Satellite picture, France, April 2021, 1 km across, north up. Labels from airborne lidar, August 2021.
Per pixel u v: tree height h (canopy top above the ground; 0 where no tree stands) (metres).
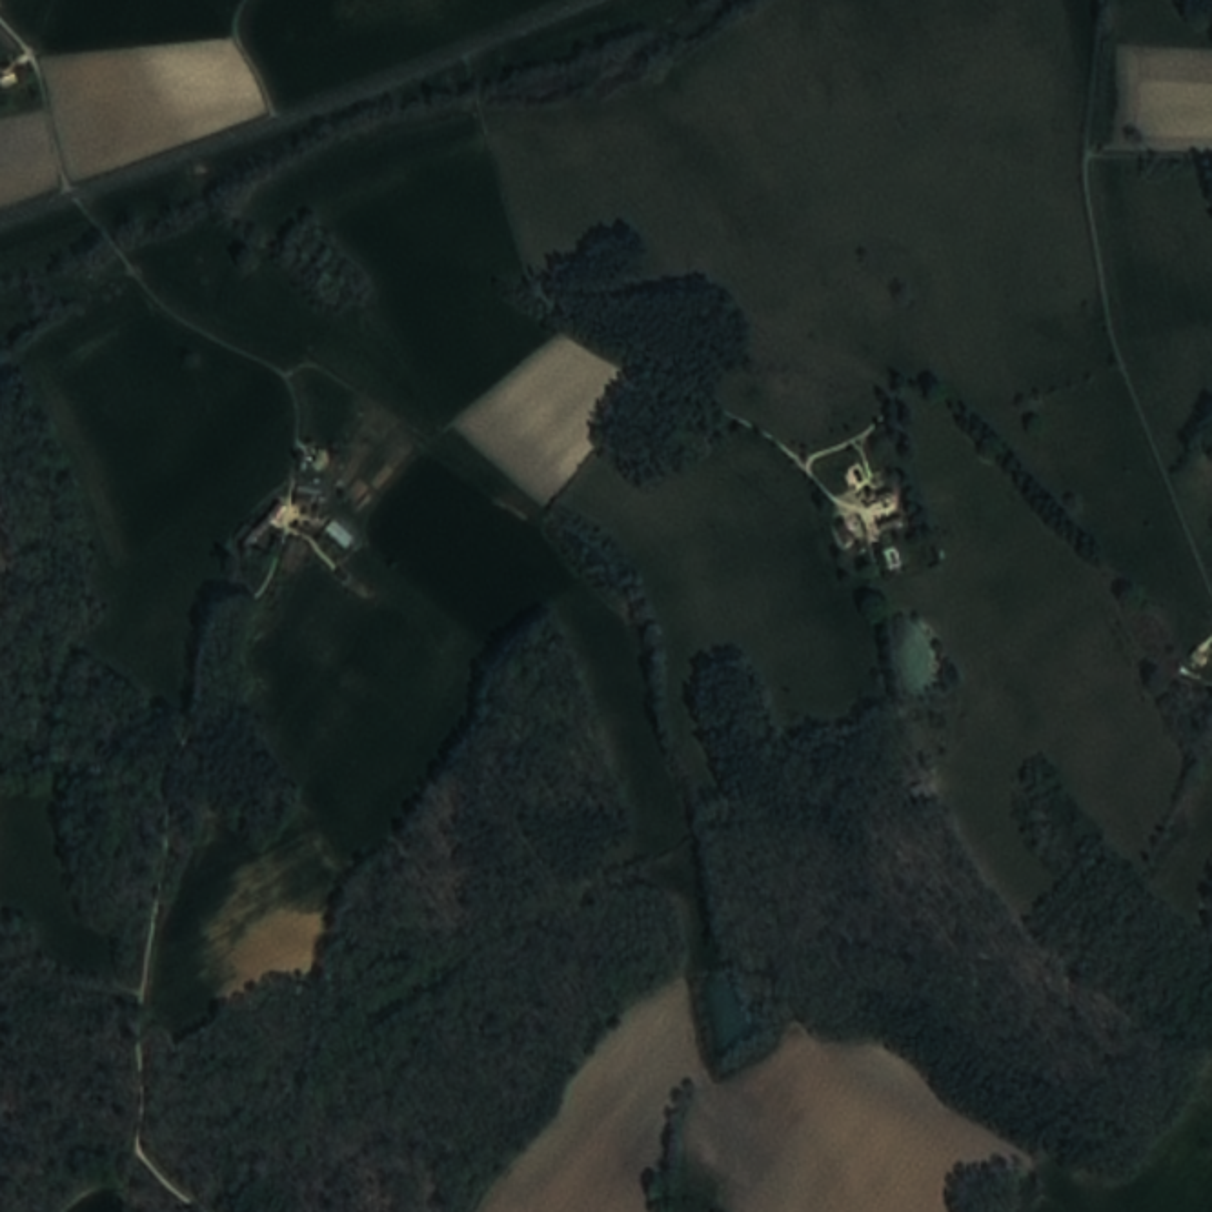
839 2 0
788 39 0
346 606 0
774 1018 9
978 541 0
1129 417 0
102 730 18
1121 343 0
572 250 0
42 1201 12
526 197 0
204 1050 19
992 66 0
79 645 8
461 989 22
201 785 20
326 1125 15
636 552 0
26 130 0
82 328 0
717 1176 0
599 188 0
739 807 23
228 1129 21
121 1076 11
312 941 0
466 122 0
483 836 21
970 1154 0
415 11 0
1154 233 0
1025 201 0
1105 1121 17
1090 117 0
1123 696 0
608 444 21
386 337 0
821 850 18
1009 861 0
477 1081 22
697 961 0
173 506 0
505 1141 17
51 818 0
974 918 20
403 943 22
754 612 0
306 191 0
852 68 0
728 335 22
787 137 0
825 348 0
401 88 0
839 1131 0
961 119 0
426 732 0
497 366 0
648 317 19
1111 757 0
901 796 22
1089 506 0
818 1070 0
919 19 0
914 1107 0
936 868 20
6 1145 19
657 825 0
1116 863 10
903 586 0
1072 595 0
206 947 0
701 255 0
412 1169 19
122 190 0
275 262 8
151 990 0
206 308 0
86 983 13
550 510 6
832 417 0
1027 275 0
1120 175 0
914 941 17
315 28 0
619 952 26
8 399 27
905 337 0
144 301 0
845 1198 0
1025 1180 22
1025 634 0
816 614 0
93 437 0
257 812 20
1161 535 0
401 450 0
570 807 19
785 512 0
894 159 0
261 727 11
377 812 0
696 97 0
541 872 21
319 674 0
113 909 18
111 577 0
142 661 0
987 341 0
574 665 16
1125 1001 11
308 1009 22
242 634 22
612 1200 0
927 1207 0
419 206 0
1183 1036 20
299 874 0
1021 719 0
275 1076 14
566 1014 23
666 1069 0
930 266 0
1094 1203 0
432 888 14
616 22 0
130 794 17
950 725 0
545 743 25
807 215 0
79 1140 17
